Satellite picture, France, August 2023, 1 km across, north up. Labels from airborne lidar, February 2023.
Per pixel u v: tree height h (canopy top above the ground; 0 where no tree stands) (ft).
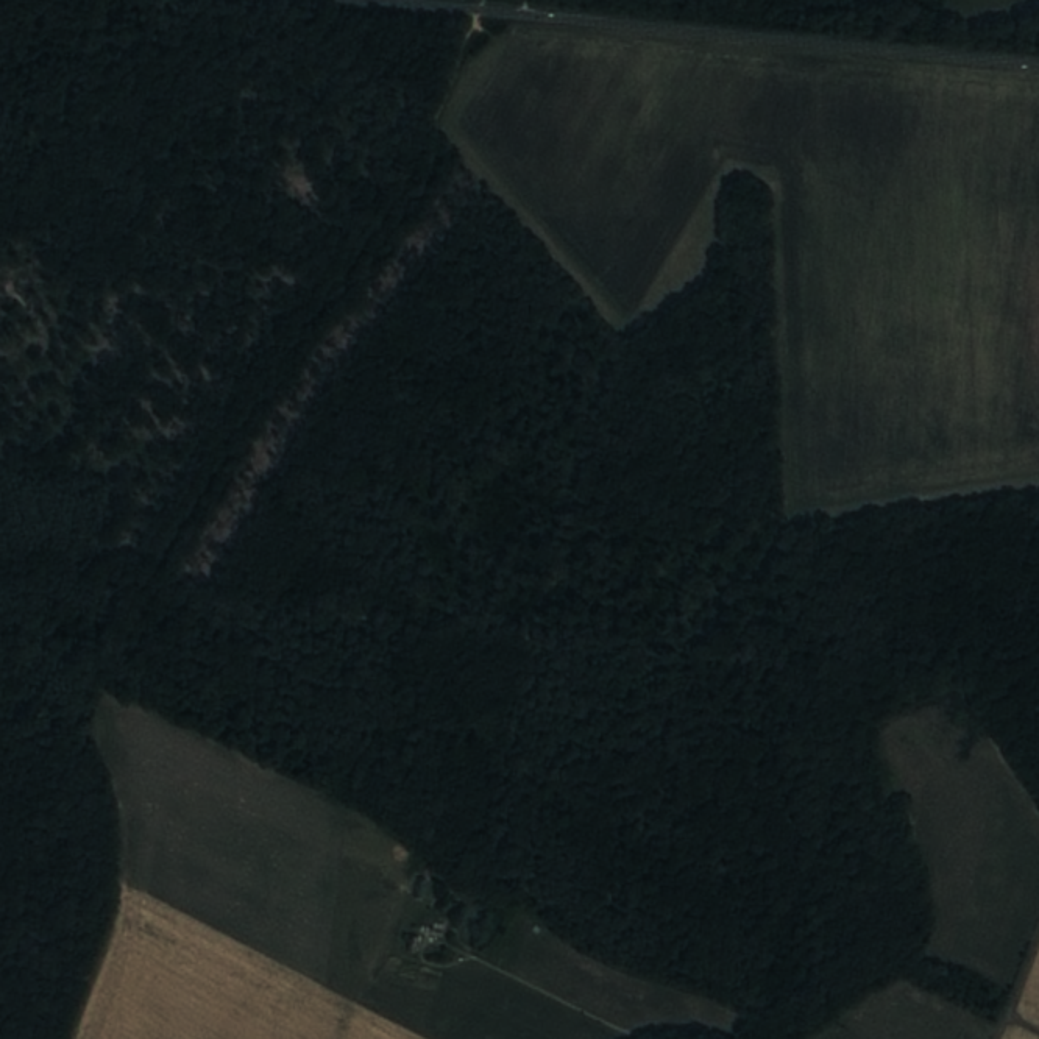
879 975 53
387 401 75
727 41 0
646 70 0
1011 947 0
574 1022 0
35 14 54
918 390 0
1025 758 52
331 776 64
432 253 70
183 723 65
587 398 55
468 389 81
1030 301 0
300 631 66
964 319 0
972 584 62
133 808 0
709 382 57
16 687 67
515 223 65
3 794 67
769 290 56
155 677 57
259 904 0
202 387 61
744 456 62
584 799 76
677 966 61
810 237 0
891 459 0
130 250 77
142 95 63
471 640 55
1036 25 78
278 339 58
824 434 0
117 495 42
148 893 0
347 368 61
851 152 0
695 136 0
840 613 49
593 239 0
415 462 70
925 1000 0
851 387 0
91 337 65
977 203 0
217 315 66
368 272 61
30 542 70
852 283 0
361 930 0
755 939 69
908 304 0
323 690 76
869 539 49
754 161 0
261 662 28
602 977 0
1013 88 0
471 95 0
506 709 56
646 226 0
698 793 69
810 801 62
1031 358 0
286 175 60
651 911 63
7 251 55
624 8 41
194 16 47
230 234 85
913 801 24
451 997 0
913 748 0
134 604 63
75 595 71
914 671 82
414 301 67
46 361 61
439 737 66
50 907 60
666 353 71
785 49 0
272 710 78
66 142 57
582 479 57
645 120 0
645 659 74
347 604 72
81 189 60
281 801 0
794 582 83
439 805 73
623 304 0
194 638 68
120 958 0
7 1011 73
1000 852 0
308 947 0
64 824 73
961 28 74
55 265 68
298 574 40
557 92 0
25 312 55
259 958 0
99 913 58
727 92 0
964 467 0
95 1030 0
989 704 63
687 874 63
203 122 73
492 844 73
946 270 0
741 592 79
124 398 53
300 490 61
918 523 65
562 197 0
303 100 60
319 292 67
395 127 49
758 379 69
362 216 69
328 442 66
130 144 52
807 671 67
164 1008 0
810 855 56
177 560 76
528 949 0
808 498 0
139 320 64
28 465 59
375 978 0
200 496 51
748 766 67
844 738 52
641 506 65
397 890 0
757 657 61
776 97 0
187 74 64
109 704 0
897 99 0
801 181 0
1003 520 50
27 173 47
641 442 72
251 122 61
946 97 0
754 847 55
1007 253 0
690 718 68
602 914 65
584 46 0
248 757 42
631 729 77
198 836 0
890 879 53
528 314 64
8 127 73
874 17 73
